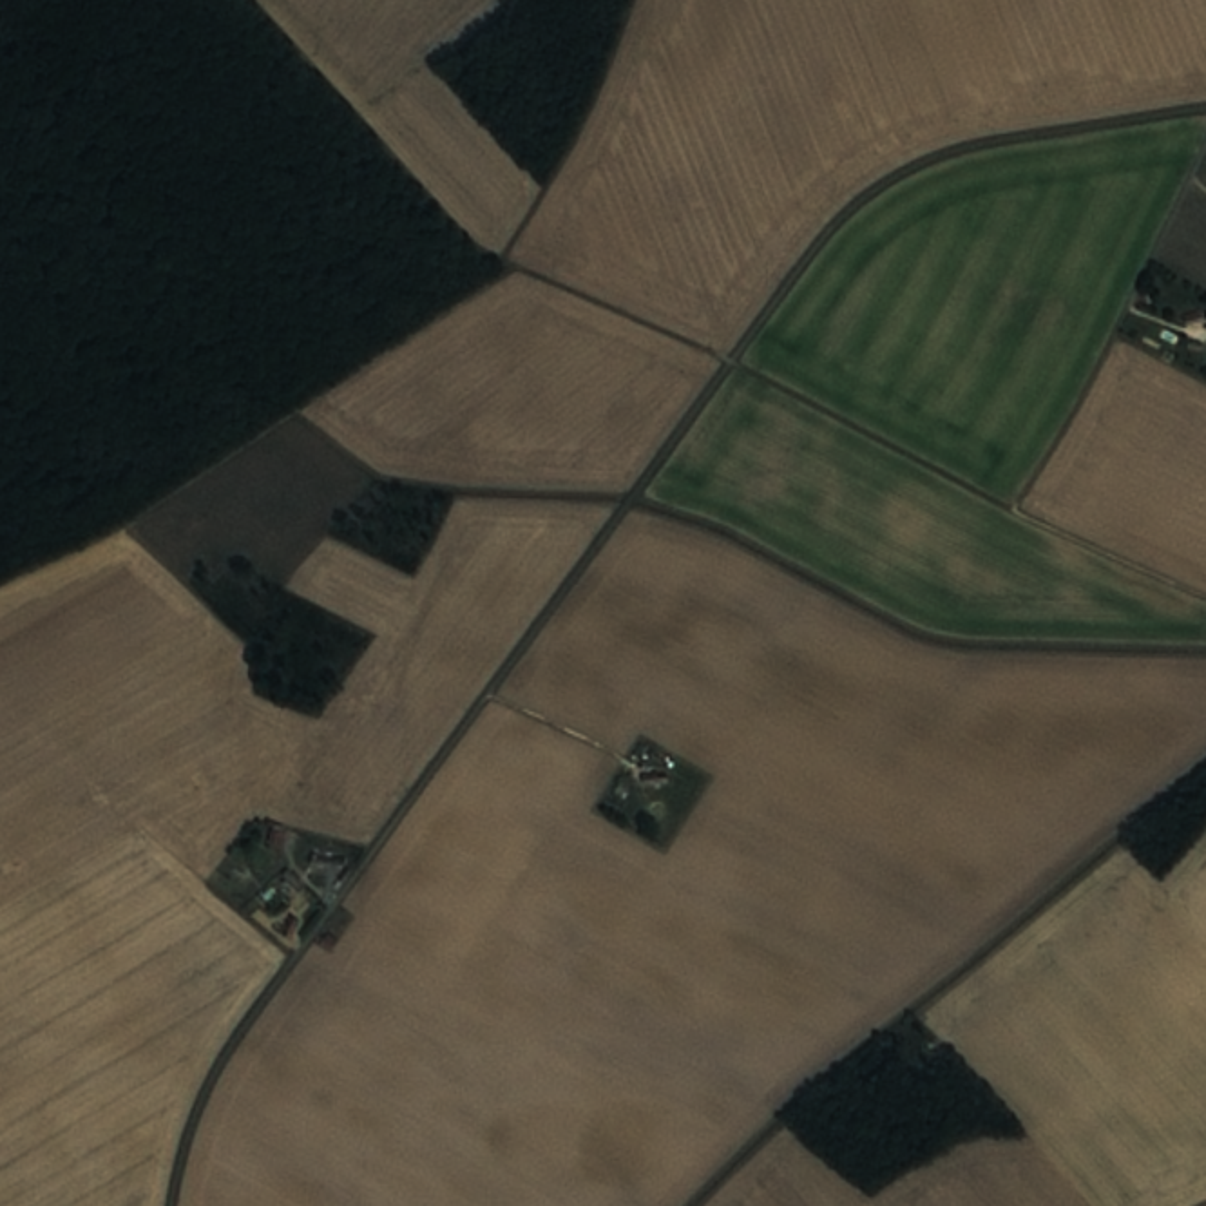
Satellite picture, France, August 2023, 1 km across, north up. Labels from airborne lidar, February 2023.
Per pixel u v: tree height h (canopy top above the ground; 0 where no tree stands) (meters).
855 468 0
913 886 0
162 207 18
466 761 0
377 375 0
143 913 0
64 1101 0
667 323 0
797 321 0
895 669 0
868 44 0
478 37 19
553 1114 0
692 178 0
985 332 0
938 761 0
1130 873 0
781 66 0
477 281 12
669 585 0
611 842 0
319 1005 0
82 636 0
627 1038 0
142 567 0
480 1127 0
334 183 24
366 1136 0
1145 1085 0
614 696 0
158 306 19
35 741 0
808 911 0
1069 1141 0
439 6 0
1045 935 0
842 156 0
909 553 0
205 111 24
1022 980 0
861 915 0
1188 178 0
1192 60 0
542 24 17
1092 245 0
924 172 0
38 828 0
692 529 0
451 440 0
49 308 27
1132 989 0
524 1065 0
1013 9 0
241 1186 0
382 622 0
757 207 0
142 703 0
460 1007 0
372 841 0
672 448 0
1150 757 0
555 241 0
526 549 0
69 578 0
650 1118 0
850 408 0
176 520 0
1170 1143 0
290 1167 0
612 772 0
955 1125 22
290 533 0
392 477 0
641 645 0
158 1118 0
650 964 0
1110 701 0
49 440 21
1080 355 0
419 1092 0
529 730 0
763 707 0
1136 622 0
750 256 0
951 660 0
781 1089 0
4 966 0
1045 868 0
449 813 0
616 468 0
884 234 0
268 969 0
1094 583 0
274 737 0
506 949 0
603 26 17
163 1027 0
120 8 19
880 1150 18
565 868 0
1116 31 0
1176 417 0
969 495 0
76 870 0
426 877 0
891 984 0
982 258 0
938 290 0
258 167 19
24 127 24
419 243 19
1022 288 0
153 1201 0
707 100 0
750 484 0
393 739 0
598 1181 0
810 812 0
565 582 0
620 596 0
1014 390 0
